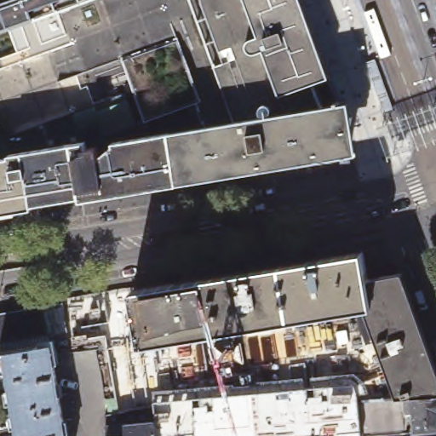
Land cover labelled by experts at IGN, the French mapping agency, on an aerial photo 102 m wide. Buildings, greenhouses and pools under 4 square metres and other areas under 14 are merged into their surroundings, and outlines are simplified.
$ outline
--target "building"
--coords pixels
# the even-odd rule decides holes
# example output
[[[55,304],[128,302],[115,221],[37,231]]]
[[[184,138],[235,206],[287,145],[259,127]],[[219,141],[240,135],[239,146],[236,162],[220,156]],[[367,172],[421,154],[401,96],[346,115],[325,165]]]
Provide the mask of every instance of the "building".
[[[308,264],[281,271],[261,272],[252,276],[238,276],[199,284],[177,284],[174,279],[167,279],[162,284],[146,286],[140,296],[131,295],[129,290],[114,290],[111,293],[104,291],[90,291],[90,295],[87,296],[68,296],[66,301],[58,301],[56,305],[48,308],[22,307],[14,296],[9,300],[0,301],[0,436],[66,436],[66,424],[61,419],[60,400],[56,395],[56,354],[53,339],[61,342],[72,341],[73,354],[82,351],[94,351],[97,354],[102,392],[104,399],[107,399],[104,407],[109,410],[106,414],[106,436],[436,436],[436,375],[400,278],[376,279],[375,298],[366,300],[358,259]]]
[[[118,201],[123,203],[129,199],[150,201],[150,196],[158,192],[235,181],[255,175],[278,174],[288,170],[310,169],[330,163],[349,163],[354,160],[356,155],[353,143],[356,140],[347,116],[349,102],[332,94],[324,66],[298,0],[0,0],[0,221],[27,215],[29,211],[36,209],[56,208],[66,204],[78,206]]]

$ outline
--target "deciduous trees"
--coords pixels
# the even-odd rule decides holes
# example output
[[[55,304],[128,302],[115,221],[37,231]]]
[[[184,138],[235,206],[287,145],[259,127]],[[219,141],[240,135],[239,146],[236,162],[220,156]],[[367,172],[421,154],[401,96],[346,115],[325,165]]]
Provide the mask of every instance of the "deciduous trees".
[[[213,204],[216,211],[237,211],[247,206],[249,199],[245,192],[235,187],[232,192],[209,192],[209,203]]]
[[[112,276],[112,267],[102,262],[85,262],[85,266],[73,272],[73,284],[51,279],[51,272],[48,269],[37,272],[31,279],[22,267],[17,288],[14,288],[14,296],[22,307],[48,308],[56,305],[58,301],[66,301],[68,296],[87,296],[90,295],[90,291],[104,291],[106,284],[111,284],[109,279]]]
[[[427,276],[436,290],[436,249],[427,250],[422,255]]]
[[[58,228],[43,227],[36,223],[17,225],[10,230],[9,235],[0,235],[0,266],[3,262],[26,261],[36,255],[48,254],[51,250],[61,250],[63,238],[60,237]]]

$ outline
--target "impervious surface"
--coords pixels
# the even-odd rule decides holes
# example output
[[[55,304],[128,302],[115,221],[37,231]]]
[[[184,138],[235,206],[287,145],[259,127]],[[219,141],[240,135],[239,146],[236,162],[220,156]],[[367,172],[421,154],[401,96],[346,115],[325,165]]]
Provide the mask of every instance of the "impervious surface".
[[[26,261],[3,262],[0,266],[0,301],[9,300],[14,296],[14,288],[17,288],[22,267],[31,279],[37,272],[48,269],[51,272],[51,279],[73,284],[73,272],[85,266],[85,262],[102,262],[112,267],[112,276],[109,279],[111,284],[106,284],[104,291],[111,293],[114,290],[129,290],[131,295],[140,296],[146,286],[162,284],[167,279],[174,279],[177,284],[199,284],[238,276],[252,276],[261,272],[281,271],[308,264],[358,259],[366,300],[375,298],[376,279],[400,278],[436,375],[436,290],[427,276],[422,255],[427,250],[436,249],[436,0],[298,0],[324,66],[332,94],[349,102],[347,116],[356,140],[353,143],[356,155],[354,160],[349,163],[330,163],[310,169],[288,170],[278,174],[255,175],[235,181],[158,192],[150,196],[150,201],[129,199],[123,203],[118,201],[78,206],[66,204],[56,208],[36,209],[29,211],[27,215],[0,221],[0,235],[9,235],[10,230],[17,225],[36,223],[43,227],[58,228],[60,237],[63,238],[61,250],[51,250],[48,254],[36,255]],[[209,203],[209,192],[232,192],[235,187],[245,192],[249,199],[247,206],[237,211],[216,211],[213,204]]]
[[[106,414],[109,410],[104,407],[107,399],[104,399],[102,392],[97,354],[94,351],[82,351],[73,354],[72,341],[61,342],[53,339],[56,354],[56,395],[60,400],[61,419],[66,424],[66,436],[106,436]]]

